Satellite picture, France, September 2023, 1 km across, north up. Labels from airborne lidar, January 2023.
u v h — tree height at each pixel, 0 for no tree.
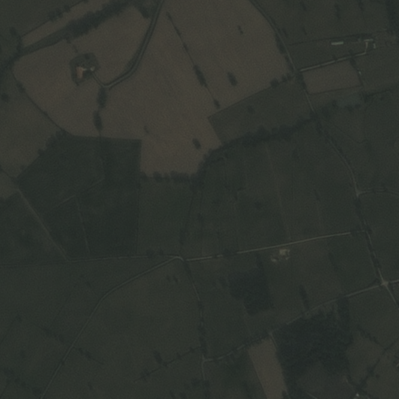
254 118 0
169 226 0
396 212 0
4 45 0
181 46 0
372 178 0
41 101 0
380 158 0
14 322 0
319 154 0
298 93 0
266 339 0
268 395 0
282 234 0
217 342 0
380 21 0
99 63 0
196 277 0
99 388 0
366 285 0
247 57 0
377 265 8
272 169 0
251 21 0
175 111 0
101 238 0
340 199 0
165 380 0
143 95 0
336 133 0
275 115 0
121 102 0
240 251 0
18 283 0
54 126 0
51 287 0
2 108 0
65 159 15
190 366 0
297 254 0
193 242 0
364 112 0
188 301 0
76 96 0
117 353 0
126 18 0
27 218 0
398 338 0
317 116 12
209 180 0
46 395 0
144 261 0
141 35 0
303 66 0
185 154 0
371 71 0
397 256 0
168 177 16
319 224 0
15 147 0
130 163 0
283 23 0
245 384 14
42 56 0
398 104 0
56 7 0
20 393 0
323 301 0
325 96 0
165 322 0
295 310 0
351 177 0
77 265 0
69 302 0
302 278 0
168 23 0
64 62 0
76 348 0
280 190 0
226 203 0
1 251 0
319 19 0
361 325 0
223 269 0
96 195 0
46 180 0
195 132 0
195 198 0
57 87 0
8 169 0
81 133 0
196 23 0
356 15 0
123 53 0
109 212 0
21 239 0
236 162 0
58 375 0
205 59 0
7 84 0
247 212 0
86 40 0
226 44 0
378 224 0
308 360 22
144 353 0
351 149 0
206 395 15
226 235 0
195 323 0
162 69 0
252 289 12
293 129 8
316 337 18
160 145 0
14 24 0
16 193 0
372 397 6
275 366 0
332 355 23
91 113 0
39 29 0
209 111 0
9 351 0
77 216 0
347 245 0
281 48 20
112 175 0
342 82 0
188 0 0
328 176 0
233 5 0
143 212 0
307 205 0
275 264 0
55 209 0
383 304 0
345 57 0
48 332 18
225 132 0
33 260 0
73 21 0
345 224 0
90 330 0
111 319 0
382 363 0
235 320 0
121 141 0
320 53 0
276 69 0
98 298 0
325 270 0
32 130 0
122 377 0
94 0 0
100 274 0
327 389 0
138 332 0
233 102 0
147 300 0
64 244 0
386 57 0
